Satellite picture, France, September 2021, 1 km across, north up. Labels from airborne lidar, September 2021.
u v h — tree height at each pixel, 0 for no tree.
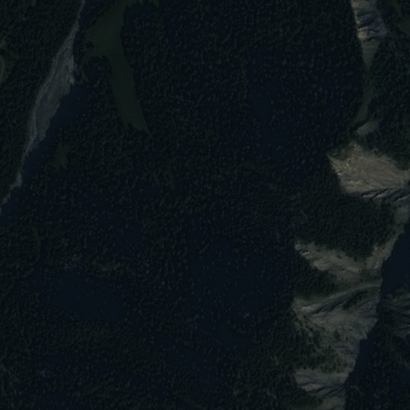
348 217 16
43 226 26
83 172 21
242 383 12
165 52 26
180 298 7
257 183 13
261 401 23
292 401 19
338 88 25
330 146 23
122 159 8
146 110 26
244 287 8
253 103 14
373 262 0
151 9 0
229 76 31
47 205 9
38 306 14
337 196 22
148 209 14
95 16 26
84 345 25
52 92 0
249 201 15
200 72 19
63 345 21
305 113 8
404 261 0
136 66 15
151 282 23
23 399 24
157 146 13
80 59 13
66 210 19
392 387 15
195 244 13
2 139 25
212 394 21
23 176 0
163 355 24
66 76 0
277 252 10
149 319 27
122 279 8
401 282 0
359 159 0
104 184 11
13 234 22
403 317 0
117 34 0
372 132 0
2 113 9
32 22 13
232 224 26
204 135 15
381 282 0
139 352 23
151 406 12
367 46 0
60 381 25
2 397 16
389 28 11
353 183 0
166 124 23
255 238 17
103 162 15
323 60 16
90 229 31
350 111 13
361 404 8
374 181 0
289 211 9
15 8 32
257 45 18
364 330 0
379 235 18
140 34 11
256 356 19
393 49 6
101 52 0
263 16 12
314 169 10
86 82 0
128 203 26
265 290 7
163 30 12
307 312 0
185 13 24
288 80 22
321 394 0
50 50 20
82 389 28
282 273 21
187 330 26
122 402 23
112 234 15
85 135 14
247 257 11
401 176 0
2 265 11
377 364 33
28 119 7
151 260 15
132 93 0
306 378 0
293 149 23
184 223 10
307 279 23
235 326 21
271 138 16
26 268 13
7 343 24
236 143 15
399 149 18
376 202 0
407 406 8
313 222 26
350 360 0
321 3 13
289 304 19
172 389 13
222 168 24
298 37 9
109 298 13
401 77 14
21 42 27
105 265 20
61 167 0
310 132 18
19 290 26
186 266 11
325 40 18
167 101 11
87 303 11
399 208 8
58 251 22
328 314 0
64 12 16
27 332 28
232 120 24
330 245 17
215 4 6
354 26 17
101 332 19
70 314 29
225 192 25
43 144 0
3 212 0
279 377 25
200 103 11
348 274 0
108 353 24
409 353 7
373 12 0
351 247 15
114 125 21
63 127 10
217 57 13
